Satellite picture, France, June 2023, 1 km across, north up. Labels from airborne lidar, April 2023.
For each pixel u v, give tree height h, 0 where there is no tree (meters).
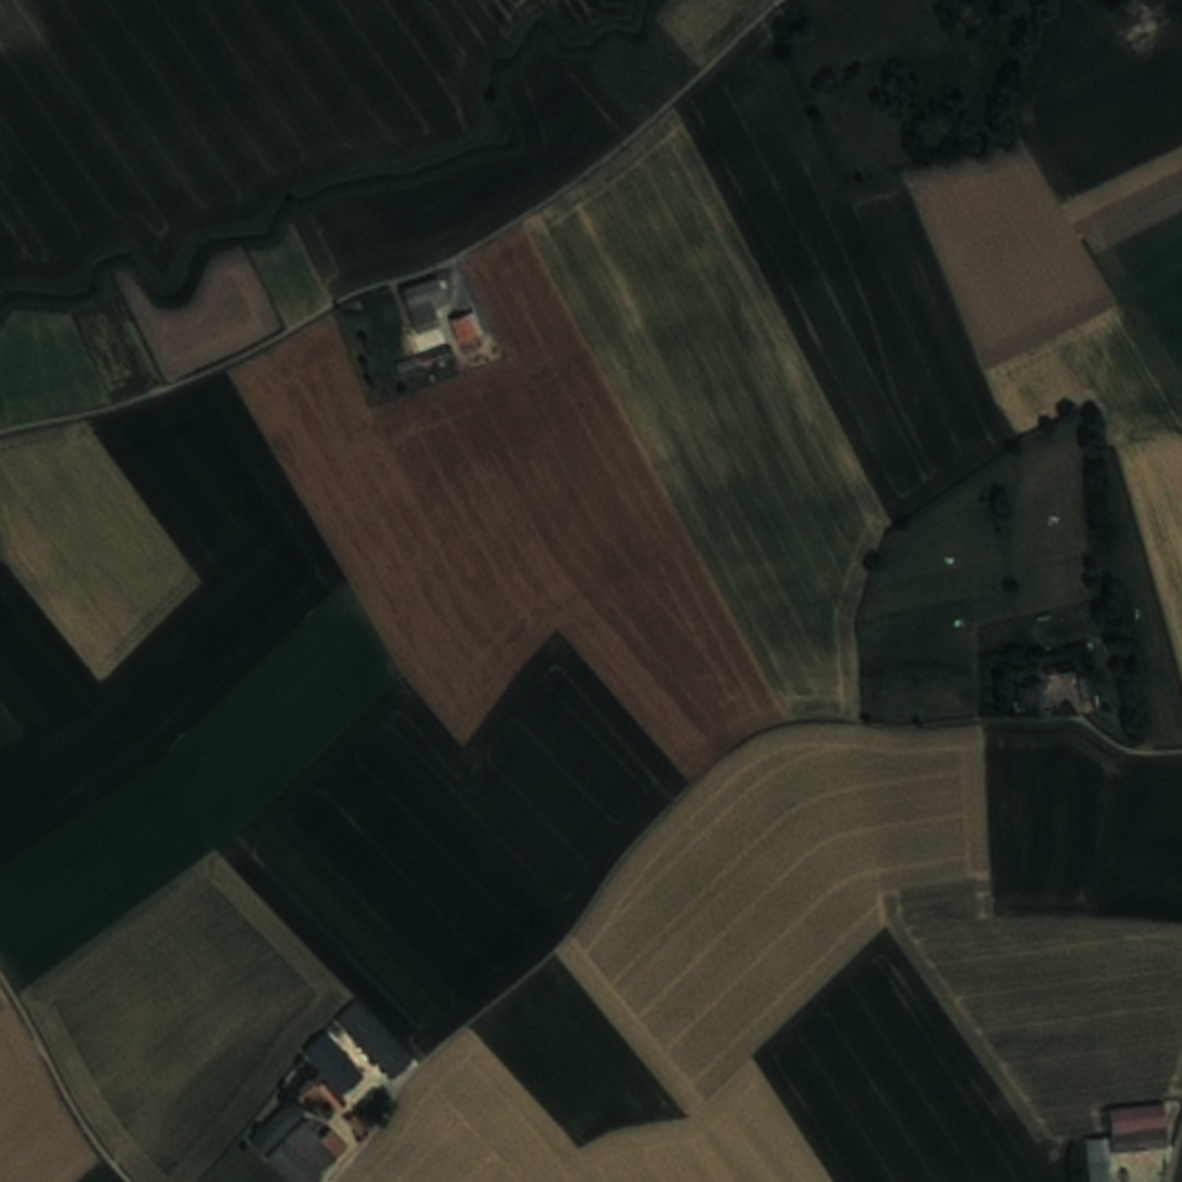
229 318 0
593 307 0
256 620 0
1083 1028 0
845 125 0
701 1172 0
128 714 0
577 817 0
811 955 0
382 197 0
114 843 0
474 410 0
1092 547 0
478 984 0
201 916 0
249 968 0
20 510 0
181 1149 0
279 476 0
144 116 0
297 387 0
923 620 0
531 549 0
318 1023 0
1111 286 0
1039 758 0
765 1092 0
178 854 0
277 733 0
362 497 0
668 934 0
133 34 0
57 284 0
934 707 0
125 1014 0
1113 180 0
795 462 0
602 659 0
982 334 0
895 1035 0
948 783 0
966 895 0
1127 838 0
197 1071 0
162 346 0
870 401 0
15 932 0
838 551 0
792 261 0
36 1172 0
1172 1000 0
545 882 0
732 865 0
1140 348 0
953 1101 0
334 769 0
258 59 0
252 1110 0
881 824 0
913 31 0
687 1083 0
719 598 0
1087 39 0
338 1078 0
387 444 0
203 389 0
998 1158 0
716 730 0
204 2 0
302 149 0
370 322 0
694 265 0
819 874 0
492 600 0
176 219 0
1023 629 0
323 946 0
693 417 0
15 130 0
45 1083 0
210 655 0
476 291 0
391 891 0
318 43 0
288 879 0
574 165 0
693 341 0
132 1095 0
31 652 0
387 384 0
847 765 0
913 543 0
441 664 0
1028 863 0
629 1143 0
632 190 0
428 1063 0
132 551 0
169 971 0
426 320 0
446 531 0
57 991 0
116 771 0
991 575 0
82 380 0
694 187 0
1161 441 0
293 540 0
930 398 0
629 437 0
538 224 0
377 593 0
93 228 0
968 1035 0
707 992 0
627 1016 0
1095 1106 0
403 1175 0
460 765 0
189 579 0
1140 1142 0
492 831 0
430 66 0
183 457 0
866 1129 0
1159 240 0
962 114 16
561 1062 0
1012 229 0
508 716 0
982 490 0
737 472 0
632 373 0
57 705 0
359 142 0
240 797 0
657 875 0
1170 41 0
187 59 0
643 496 0
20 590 0
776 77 0
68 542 0
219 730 0
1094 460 12
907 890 0
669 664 0
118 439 0
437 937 0
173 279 0
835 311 0
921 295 0
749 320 0
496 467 0
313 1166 0
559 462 0
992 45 0
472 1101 0
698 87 0
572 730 0
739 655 0
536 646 0
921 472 0
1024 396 0
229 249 0
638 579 0
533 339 0
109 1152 0
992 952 0
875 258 0
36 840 0
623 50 0
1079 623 0
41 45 0
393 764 0
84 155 0
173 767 0
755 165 0
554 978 0
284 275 0
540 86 0
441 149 0
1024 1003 0
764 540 0
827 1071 0
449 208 0
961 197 0
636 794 0
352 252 0
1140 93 0
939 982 0
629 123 0
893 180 0
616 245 0
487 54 0
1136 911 0
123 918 0
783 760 0
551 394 0
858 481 0
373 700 0
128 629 0
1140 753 0
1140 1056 0
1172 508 0
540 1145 0
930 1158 0
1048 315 0
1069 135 0
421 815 0
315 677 0
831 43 0
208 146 0
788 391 0
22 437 0
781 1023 0
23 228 0
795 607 0
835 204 0
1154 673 0
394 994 0
